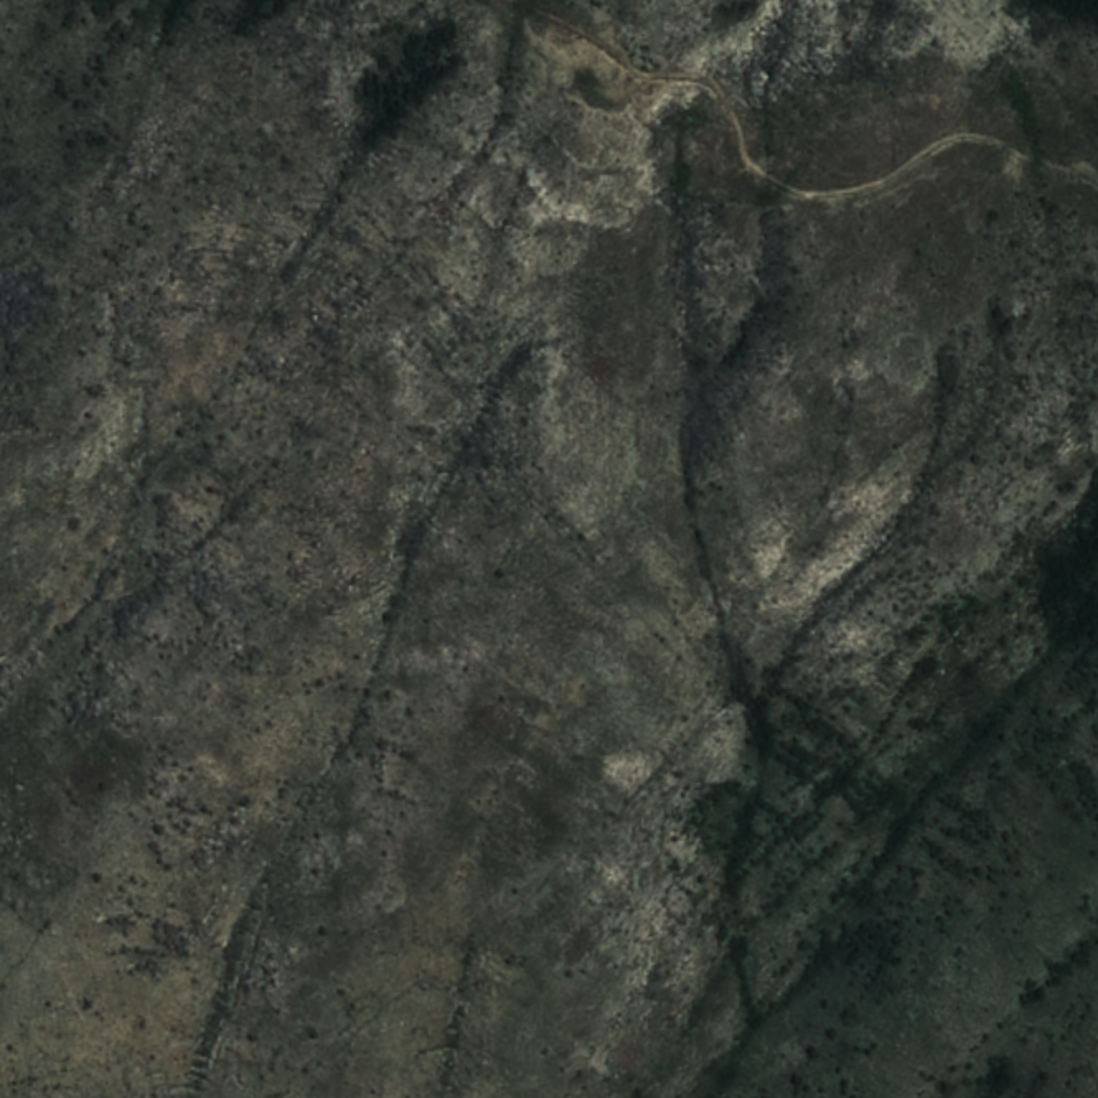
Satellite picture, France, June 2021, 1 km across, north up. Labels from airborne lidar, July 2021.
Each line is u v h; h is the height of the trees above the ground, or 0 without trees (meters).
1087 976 0
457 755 0
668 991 0
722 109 0
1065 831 0
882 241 0
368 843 0
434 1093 0
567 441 0
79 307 0
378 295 0
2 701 0
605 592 0
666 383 0
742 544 0
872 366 0
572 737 0
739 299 0
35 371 0
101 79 6
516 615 0
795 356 0
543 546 0
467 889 0
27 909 0
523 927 0
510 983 0
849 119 0
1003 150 0
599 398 0
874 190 0
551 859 0
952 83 0
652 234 0
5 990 0
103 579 8
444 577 0
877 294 0
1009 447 6
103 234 0
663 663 0
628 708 0
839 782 7
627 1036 0
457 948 0
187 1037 0
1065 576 8
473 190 0
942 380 9
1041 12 7
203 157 0
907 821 8
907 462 0
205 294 0
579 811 0
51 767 0
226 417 0
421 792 0
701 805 6
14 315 7
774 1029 0
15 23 0
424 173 0
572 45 0
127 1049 0
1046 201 8
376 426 0
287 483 0
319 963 0
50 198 0
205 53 0
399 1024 0
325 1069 0
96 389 7
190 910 0
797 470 0
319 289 0
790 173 0
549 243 0
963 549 0
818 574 0
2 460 0
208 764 0
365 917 0
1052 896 0
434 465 7
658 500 0
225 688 0
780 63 9
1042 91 0
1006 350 6
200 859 6
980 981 0
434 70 9
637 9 0
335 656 0
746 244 0
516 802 0
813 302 0
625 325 0
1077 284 6
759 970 0
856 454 0
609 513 0
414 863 0
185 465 0
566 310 0
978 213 0
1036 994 8
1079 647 6
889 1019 0
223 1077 0
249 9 7
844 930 6
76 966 0
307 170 0
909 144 0
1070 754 0
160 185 0
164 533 7
